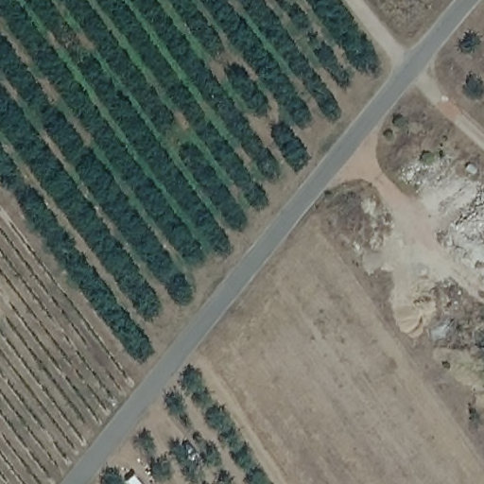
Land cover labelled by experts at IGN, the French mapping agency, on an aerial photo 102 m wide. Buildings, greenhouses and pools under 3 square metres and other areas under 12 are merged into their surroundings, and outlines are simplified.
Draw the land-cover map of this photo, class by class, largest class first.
<instances>
[{"label":"deciduous trees","instance_id":"1","mask_svg":"<svg viewBox=\"0 0 484 484\"><path fill-rule=\"evenodd\" d=\"M0 15L6 19L9 30L32 59L26 64L21 62L8 40L0 34V129L4 130L9 144L19 151L21 159L30 166L32 174L49 191L57 206L85 238L87 246L95 251L96 257L117 280L119 287L129 295L134 308L144 318L151 320L161 312V302L155 289L144 282L129 253L123 248H115V238L108 231V227L96 217L95 208H85L87 199H83V195L79 193L76 181L70 178V174L59 163V159H55L51 149L40 138V132L43 130H47V134L64 153V157L76 166L81 180L87 183L89 191L100 202L102 210L112 219L115 227L127 236L132 248L138 251L140 259L153 272V276L166 287L172 301L176 304L191 302V284L185 280L183 272L174 267L168 251L163 250L155 234L149 229L159 225L166 240L180 251L181 257L185 261L193 259L199 267L212 253L229 255L231 242L225 231L217 227L212 212L204 206L197 193L189 187L181 170H178V166L170 159L168 149L151 134L144 119L132 108L129 98L113 85L112 79L104 78V72L98 60L91 55V51L81 47L78 34L85 32V36L95 43L102 57L108 60L110 68L121 76L123 83L138 98L140 106L151 115V121L157 129L163 125H172L176 121L174 113L181 110L189 125L197 132V136L212 149L217 163L227 170L234 183L242 189L251 206L261 210L267 206V193L263 185L251 180L244 161L236 155L234 149L242 146L250 153L253 163L257 164L265 180H278L280 166L274 155L263 146L259 134L251 129L250 121L246 117L251 112L259 117L265 115L268 112V102L276 98L280 106V121L270 127V134L276 146L282 149L285 161L293 170L299 172L302 166L308 163V153L301 138H297L291 129L297 125L306 127L310 123V110L306 102L297 95L295 85L282 72L280 64L261 45V40L251 32L246 19H242L234 11L227 0H0ZM223 30L229 36L234 51H238L248 60L259 74L255 81H251L248 72L238 64H231L225 70L227 78L221 83L208 68V64L214 60L217 53H223V45L217 36ZM49 32L55 34L59 45H62V49L78 64L81 74L95 87L96 96L106 104L113 119L121 125V129L127 134L123 142L115 136L108 121L102 119L98 108L91 104L87 91L74 79L66 62L59 59L55 47L47 42ZM42 78L49 79L51 85L57 89L60 98L55 104H49L47 95L43 93L40 85ZM74 115L81 121V125L91 132V146H85L76 129L68 123V119ZM240 4L253 17L259 30L265 32L270 43H274V47L289 62L291 72L302 79L304 87L316 98L321 113L329 121L337 119L340 113L335 96L331 95V91L321 81L320 76L308 66V59L297 49L295 40L287 34L280 17L268 8L265 0H240ZM276 4L287 11L291 23L299 30L308 26V19L297 4H291L287 0H276ZM327 34L344 49L346 59L350 60L359 72L378 74V55L371 40L355 23L352 11L342 0H308ZM480 43L476 34L467 32L463 40H459V49L463 53L473 51ZM314 53L320 59L321 66L337 81V85L348 87L352 76L338 64L333 49L321 43L320 49H316ZM465 95L471 98L482 95L484 91V85L480 79L469 74L463 87ZM0 183L15 195L25 214L28 229L42 236L45 248L49 253H53L60 267H64L68 272V280L85 293L98 316L110 325L113 335L123 342L125 350L134 359L146 361L149 355L153 354L146 331L136 321L130 320L129 312L117 304L112 289L98 276L96 268L87 263L85 255L78 251L74 238L60 227L55 214L45 206L42 195L30 185H26L17 166L0 144ZM181 161L191 168L193 178L204 189V193H208L221 216L229 223V227L234 231H242L248 223V217L234 202L229 187L221 183L216 170L204 161V155L200 153L199 147L183 144L180 149ZM181 386L189 389V393L193 395V401L204 412V420L208 427H212L219 435V439L229 446L231 458L244 471L248 484H272L265 471L251 456L250 446L236 433V427L227 408L217 405L202 380V372L191 367H185L183 372ZM164 403L168 412L180 420L183 427L189 425L191 420L181 403L180 395L168 393L164 397ZM138 448L142 450V458L146 459L149 473L153 478L161 482L164 478H170L172 473L168 463L176 459L187 482L195 480L197 469L202 463H206L216 467L219 484H233V476L223 469V461L212 442H208L206 448L200 452V458L191 461L187 456L189 442L176 439L170 441L168 452L157 458L155 444L149 437L147 441L138 444ZM100 484H125L121 482L119 471L110 467L104 469Z\"/></svg>","mask_w":484,"mask_h":484},{"label":"herbaceous vegetation","instance_id":"2","mask_svg":"<svg viewBox=\"0 0 484 484\"><path fill-rule=\"evenodd\" d=\"M234 11L242 19H246L251 32L261 40V45L280 64L282 72L295 85L297 95L306 102L310 110V123L306 127L297 125L291 129L297 138H301L308 153V163L302 166L299 172L293 170L285 161L282 149L276 146L270 134V127L280 121V106L276 98L268 102V112L265 115L259 117L251 112L246 117L250 121L251 129L259 134L263 146L274 155L280 166L278 180H265L257 164L253 163L250 153L242 146L234 149L236 155L244 161L251 180L263 185L267 193V206L261 210L251 206L242 189L234 183L227 170L217 163L212 149L197 136V132L189 125L181 110L174 113L176 121L172 125H163L157 129L151 121V115L140 106L138 98L123 83L121 76L110 68L108 60L102 57L95 43L85 36V32L78 34L81 47L91 51V55L98 60L104 72V78L112 79L113 85L129 98L132 108L144 119L151 134L168 149L170 159L178 166V170H181L189 187L197 193L204 206L212 212L217 227L225 231L231 242L229 255L212 253L199 267L193 259L185 261L181 257L180 251L166 240L159 225L149 229L155 234L163 250L168 251L174 267L183 272L185 280L191 284V302L176 304L172 301L166 287L153 276V272L140 259L138 251L132 248L127 236L115 227L112 219L102 210L100 202L89 191L87 183L81 180L76 166L64 157V153L47 134V130H43L40 132V138L51 149L55 159H59V163L70 174V178L76 181L79 193L83 195V199H87L85 208H95L96 217L108 227V231L115 238V248H123L129 253L144 282L155 289L161 302V312L151 320L144 318L134 308L129 295L119 287L117 280L96 257L95 251L87 246L85 238L57 206L49 191L32 174L30 166L21 159L19 151L9 144L4 130L0 129V144L17 166L26 185H30L42 195L45 206L55 214L60 227L74 238L78 251L85 255L87 263L96 268L98 276L112 289L117 304L129 312L130 320L136 321L146 331L153 354L149 355L146 361L134 359L130 363L136 371H147L151 374L163 361L164 355L180 342L185 331L199 320L202 312L210 306V302L221 293V289L233 276L234 270L242 265V261L259 244V240L278 221V217L282 216L285 208L320 170L321 164L329 159V155L361 119V115L384 93L397 70L395 66H391L384 53L378 55V74L359 72L350 60L346 59L344 49L327 34L308 0H287L291 4H297L308 19V26L299 30L291 23L287 11L276 4V0H265L268 8L280 17L287 34L295 40L297 49L308 59V66L320 76L321 81L331 91V95L335 96L340 113L337 119L329 121L321 113L316 98L304 87L302 79L291 72L289 62L274 47V43H270L265 32L259 30L253 17L240 4V0H227ZM321 43L333 49L338 64L352 76L348 87L337 85V81L321 66L320 59L314 53L316 49H320ZM183 144L199 147L200 153L204 155V161L216 170L221 183L229 187L234 202L248 217V223L242 231H234L229 227V223L221 216L208 193H204V189L193 178L191 168L181 161L180 149ZM467 32L476 34L480 43L473 51L463 53L459 49V40H463ZM433 55H437L435 78L442 93L454 100L459 112L469 115L480 129H484V91L482 95L471 98L465 95L463 87L469 74L480 79L484 85V0H476L448 32L441 45L433 51ZM0 34L8 40L21 62L26 64L32 59L9 30L6 19L0 15ZM217 36L223 45V53H217L214 60L208 64V68L221 83L227 78L225 70L231 64H238L248 72L251 81H255L259 74L248 60L238 51H234L229 36L223 30ZM47 42L55 47L59 59L66 62L74 79L87 91L91 104L98 108L102 119L108 121L115 136L123 142L127 134L121 129V125L113 119L106 104L96 96L95 87L81 74L78 64L62 49V45H59L55 34L49 32ZM40 85L43 93L47 95L49 104H55L60 98L57 89L51 85L49 79L42 78ZM376 159L380 168L406 197H422V180L429 181V185H433L435 181L458 178L484 181V151L450 119H446L435 108V104H431L423 96L422 91L410 93L399 100L395 112L384 123V130L378 136L376 146ZM68 123L76 129L85 146H91V132L81 125V121L74 115L68 119ZM318 214L321 217V233L327 236V240L335 248H352L355 253H361V248H371L372 233H378V238H384V234L391 233V214L388 206L382 202L378 189L371 181H342L327 189L320 200L297 221V225L302 227L310 217ZM355 280L365 287L367 295L376 304L378 320L384 323L386 331L408 355V369L422 372L423 382H431L439 399L444 401L446 408H450L454 420L458 422L459 427H463L469 433V439L484 458V291H478L476 297H471L463 287H459L450 278L437 282L431 289H425L422 297H416L414 302H435V316L423 327L420 337H408V333H403L399 329L397 321L393 318V308L389 302V293L393 289L391 274L386 270L367 272L363 263L355 259L352 261ZM191 367L202 372V380L217 405L227 408L236 427V433L250 446L251 456L265 471L272 484H287L276 463L263 448L257 433L251 429V423L236 403L234 395H231V391L225 388L221 378L214 372L212 363L195 350L185 357ZM183 372L180 369L174 372V376L157 393L155 403L149 405L142 420L130 427L121 444L108 458L110 467L119 471L121 482L125 484H219L216 467L206 463H202L197 469L195 480L187 482L176 459L168 463L172 473L170 478H164L161 482L153 478L149 473L146 459L142 458V450L138 448V444L147 441L149 437L155 444L157 458L168 452L170 441L176 439L189 442L187 456L191 461L200 458V452L206 448L208 442H212L223 461V469L233 476V484H248L244 471L231 458L229 446L219 439V435L212 427H208L204 420V412L193 401V395L189 393V389L181 386ZM168 393L180 395L181 403L191 420L189 425L183 427L180 420L168 412L164 403V397Z\"/></svg>","mask_w":484,"mask_h":484},{"label":"agricultural land","instance_id":"3","mask_svg":"<svg viewBox=\"0 0 484 484\"><path fill-rule=\"evenodd\" d=\"M371 6L372 13L380 19V23L388 28L389 34L403 45L405 60L433 34L437 26L441 25L442 19L458 4V0H365ZM355 259V253L352 248H335L327 240V236L321 233V217L318 214L310 217L302 227L297 225V221L276 244V248L263 261V265L251 274L250 280L240 289V293L219 314V318L206 331V335L200 338L199 346L195 350L212 363L214 372L221 378L225 388L231 391V395H234L236 403L251 423V429L257 433L263 448L276 463L287 484H484V458L469 439V433L463 427H459L458 422L454 420L450 408H446L444 401L439 399L431 382H423L422 372L408 369V355L386 331L384 323L378 320L376 304L367 295L365 287L355 280L352 261Z\"/></svg>","mask_w":484,"mask_h":484},{"label":"vineyard","instance_id":"4","mask_svg":"<svg viewBox=\"0 0 484 484\"><path fill-rule=\"evenodd\" d=\"M134 359L125 350L123 342L113 335L110 325L98 316L85 293L68 280V272L64 267H60L53 253H49L45 248L42 236L28 229L25 214L15 195L0 183V484H66L68 478L74 475L76 467L83 461V456L100 442L104 433L110 429V425L130 405L134 395L142 389L151 374L147 371H136L130 363Z\"/></svg>","mask_w":484,"mask_h":484},{"label":"pervious surface","instance_id":"5","mask_svg":"<svg viewBox=\"0 0 484 484\"><path fill-rule=\"evenodd\" d=\"M352 11L355 23L371 40L378 55L384 53L391 66H395L397 70L405 60L403 45L389 34L388 28L380 23V19L372 13L371 6L365 0H342ZM437 55H433L423 66L420 76L410 81L401 91V95L395 98V102L382 113V117L372 127L367 138L355 149L354 155L342 164V168L331 180L325 183L327 189L342 181H371L378 189L382 202L388 206L391 214V233L384 234V238H378V233H372L371 248H361V253H355V259L363 263L367 272L386 270L391 274L393 289L389 293V302L393 308V318L397 321L399 329L403 333H408V337H420L423 327L435 316V302H414L416 297H422L425 289H431L437 282L450 278L459 287H463L471 297H476L478 291H484V181L458 178L435 181L433 185H429V181L422 180V197H406L380 168L376 159V146L378 136L384 130V123L395 112L399 100L410 93L422 91L423 96L431 104H435V108L446 119H450L484 151V129H480L469 115L459 112L454 100L442 93L435 78Z\"/></svg>","mask_w":484,"mask_h":484},{"label":"impervious surface","instance_id":"6","mask_svg":"<svg viewBox=\"0 0 484 484\"><path fill-rule=\"evenodd\" d=\"M476 0H458V4L442 19L441 25L437 26L433 34L405 60L397 70L384 93L361 115V119L329 155V159L321 164L320 170L285 208L282 216L278 217V221L259 240V244L242 261V265L234 270L233 276L221 289V293L210 302V306L202 312L199 320L185 331L180 342L164 355L163 361L151 374L142 389L134 395L130 405L110 425V429L104 433L100 442L83 456V461L76 467L74 475L68 478L66 484H100L104 469L110 467L108 458L121 444L130 427L142 420L149 405L155 403L157 393L174 376V372L180 369L183 372L185 367H191L185 357L195 350L199 346L200 338L206 335V331L219 318V314L240 293V289L250 280L251 274L263 265V261L276 248V244L297 221L320 200L327 189L325 183L331 180L342 168V164L354 155L355 149L367 138L372 127L382 117V113L395 102V98L401 95V91L410 81L420 76L423 66L433 55V51L441 45L448 32Z\"/></svg>","mask_w":484,"mask_h":484}]
</instances>
